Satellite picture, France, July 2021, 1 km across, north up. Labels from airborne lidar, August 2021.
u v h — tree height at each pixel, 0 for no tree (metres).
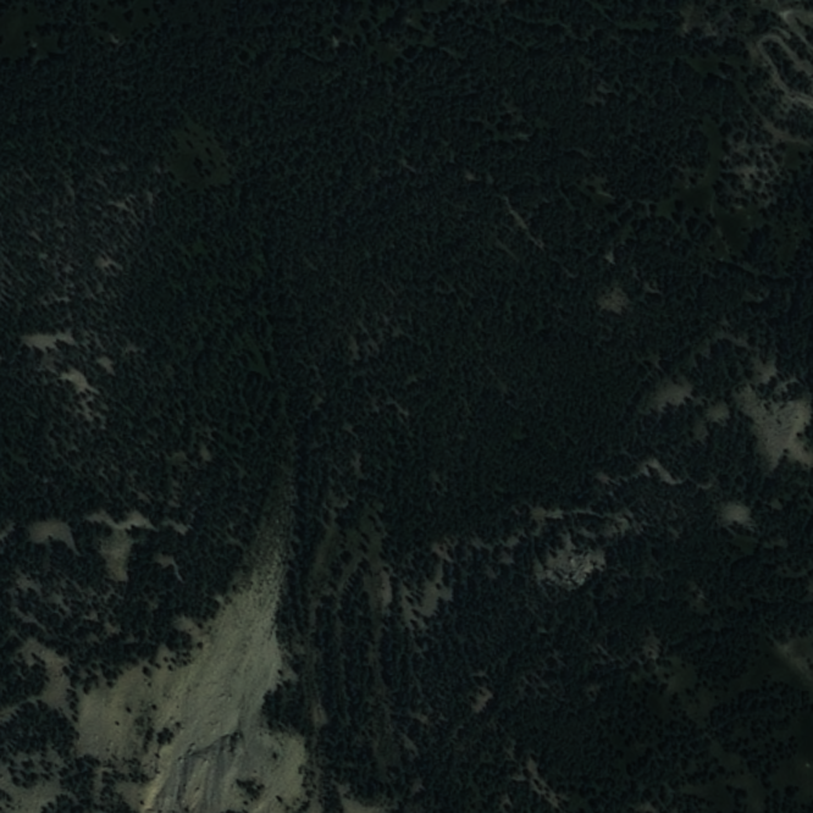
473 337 22
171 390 17
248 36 20
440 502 19
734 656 14
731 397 14
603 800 17
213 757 0
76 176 7
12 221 20
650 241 22
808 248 16
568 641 20
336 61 11
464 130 22
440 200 19
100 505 24
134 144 25
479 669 15
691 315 15
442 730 14
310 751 7
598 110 13
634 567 21
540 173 12
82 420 10
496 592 17
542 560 13
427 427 17
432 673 12
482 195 25
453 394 19
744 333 12
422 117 16
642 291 20
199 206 18
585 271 19
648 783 21
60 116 17
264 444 18
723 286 25
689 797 7
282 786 0
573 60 18
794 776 0
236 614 0
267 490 10
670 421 18
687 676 0
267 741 0
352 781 7
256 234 6
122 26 0
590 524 11
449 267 18
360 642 8
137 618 15
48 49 0
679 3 19
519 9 21
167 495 13
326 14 7
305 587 13
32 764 11
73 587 12
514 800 17
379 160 17
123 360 12
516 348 26
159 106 17
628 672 8
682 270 17
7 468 22
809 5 13
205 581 16
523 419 19
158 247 21
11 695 14
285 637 7
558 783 15
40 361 8
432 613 0
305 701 11
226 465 19
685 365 24
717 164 0
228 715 0
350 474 17
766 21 12
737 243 0
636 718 11
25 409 19
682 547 17
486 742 16
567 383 26
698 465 18
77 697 10
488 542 19
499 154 20
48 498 19
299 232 23
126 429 17
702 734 14
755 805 0
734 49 13
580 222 20
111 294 12
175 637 14
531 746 21
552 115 13
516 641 17
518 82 16
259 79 18
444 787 16
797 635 7
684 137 13
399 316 12
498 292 18
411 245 18
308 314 16
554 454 24
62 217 17
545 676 17
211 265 20
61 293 14
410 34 19
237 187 13
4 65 13
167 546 10
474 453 21
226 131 23
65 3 18
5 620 14
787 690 12
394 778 18
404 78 24
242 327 17
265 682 0
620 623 20
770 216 18
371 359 11
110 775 10
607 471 21
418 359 21
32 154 21
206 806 0
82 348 10
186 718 0
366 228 22
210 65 8
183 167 0
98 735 0
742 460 21
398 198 18
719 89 25
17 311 19
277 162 22
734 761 0
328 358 14
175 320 21
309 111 16
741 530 12
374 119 14
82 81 14
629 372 22
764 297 14
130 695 0
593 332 19
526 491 23
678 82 19
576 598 18
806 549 14
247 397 15
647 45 20
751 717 15
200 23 11
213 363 20
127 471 13
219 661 0
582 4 20
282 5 18
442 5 0
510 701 16
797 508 16
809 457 0
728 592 13
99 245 12
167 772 0
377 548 0
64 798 11
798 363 22
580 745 20
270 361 22
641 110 17
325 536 18
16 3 7
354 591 19
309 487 19
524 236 18
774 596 13
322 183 20
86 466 8
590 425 27
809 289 22
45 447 22
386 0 22
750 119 17
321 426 21
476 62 18
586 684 15
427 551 23
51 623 16
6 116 15
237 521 14
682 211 23
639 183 17
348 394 18
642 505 9
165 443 16
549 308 24
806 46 11
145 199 20
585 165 14
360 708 19
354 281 25
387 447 19
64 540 0
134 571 11
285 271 20
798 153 0
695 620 16
